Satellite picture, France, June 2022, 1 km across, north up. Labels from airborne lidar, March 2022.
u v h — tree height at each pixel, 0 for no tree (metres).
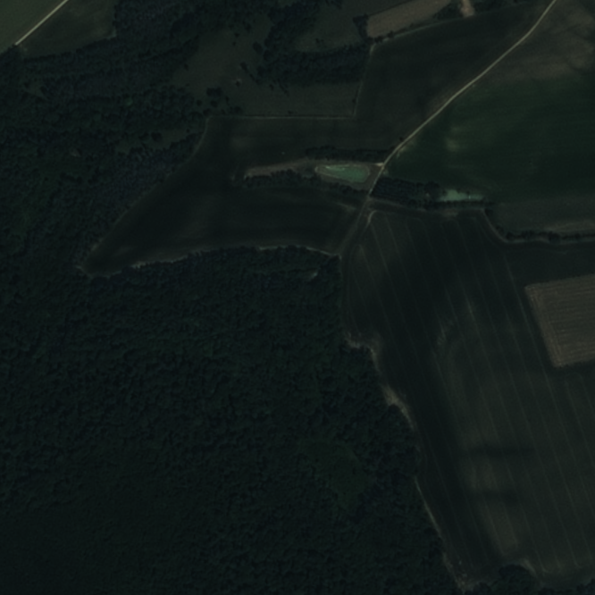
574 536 0
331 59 19
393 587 29
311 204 0
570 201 0
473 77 0
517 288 0
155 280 23
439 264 0
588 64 0
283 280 16
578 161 0
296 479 22
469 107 0
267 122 0
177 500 6
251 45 0
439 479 0
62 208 18
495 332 0
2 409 22
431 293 0
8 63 19
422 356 0
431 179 0
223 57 0
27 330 26
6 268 22
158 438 19
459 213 0
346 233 0
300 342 24
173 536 8
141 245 0
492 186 0
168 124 22
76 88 18
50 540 10
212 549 17
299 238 0
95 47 14
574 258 0
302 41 0
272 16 22
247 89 0
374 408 31
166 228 0
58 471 23
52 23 0
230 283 27
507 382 0
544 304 0
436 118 0
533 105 0
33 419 19
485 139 0
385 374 0
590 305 0
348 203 0
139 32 20
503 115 0
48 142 32
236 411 24
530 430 0
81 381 21
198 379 19
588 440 0
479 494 0
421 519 31
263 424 28
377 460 31
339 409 31
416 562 29
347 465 0
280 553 20
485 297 0
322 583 20
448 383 0
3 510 16
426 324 0
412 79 0
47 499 14
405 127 0
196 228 0
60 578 12
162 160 21
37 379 24
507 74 0
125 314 25
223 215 0
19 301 25
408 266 0
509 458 0
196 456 18
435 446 0
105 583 9
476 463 0
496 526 0
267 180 11
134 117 23
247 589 21
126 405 25
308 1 15
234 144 0
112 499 9
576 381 0
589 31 0
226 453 23
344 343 21
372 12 0
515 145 0
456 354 0
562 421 0
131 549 7
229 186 0
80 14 0
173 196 0
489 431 0
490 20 0
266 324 22
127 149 0
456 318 0
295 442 25
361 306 0
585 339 0
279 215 0
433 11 0
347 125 0
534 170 0
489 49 0
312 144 0
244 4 25
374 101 0
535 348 0
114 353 28
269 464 25
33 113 20
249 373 25
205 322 16
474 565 0
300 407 27
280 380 22
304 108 0
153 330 22
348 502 0
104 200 12
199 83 0
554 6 0
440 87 0
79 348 26
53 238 20
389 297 0
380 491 27
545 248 0
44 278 18
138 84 17
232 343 18
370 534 25
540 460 0
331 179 0
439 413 0
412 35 0
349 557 22
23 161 27
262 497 22
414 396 0
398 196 14
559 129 0
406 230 0
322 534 26
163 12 13
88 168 12
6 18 0
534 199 0
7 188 24
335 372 30
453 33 0
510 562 0
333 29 0
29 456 19
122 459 6
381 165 0
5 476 15
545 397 0
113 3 0
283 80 9
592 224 0
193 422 20
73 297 22
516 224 0
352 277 0
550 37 0
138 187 18
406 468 28
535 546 0
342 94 0
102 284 19
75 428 18
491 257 0
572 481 0
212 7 23
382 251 0
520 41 0
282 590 20
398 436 32
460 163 0
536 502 0
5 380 20
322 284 19
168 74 8
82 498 6
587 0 0
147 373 18
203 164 0
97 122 22
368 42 9
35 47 0
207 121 0
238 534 19
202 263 23
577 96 0
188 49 10
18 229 16
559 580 0
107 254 0
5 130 22
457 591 20
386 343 0
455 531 0
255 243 0
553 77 0
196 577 20
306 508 24
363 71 9
